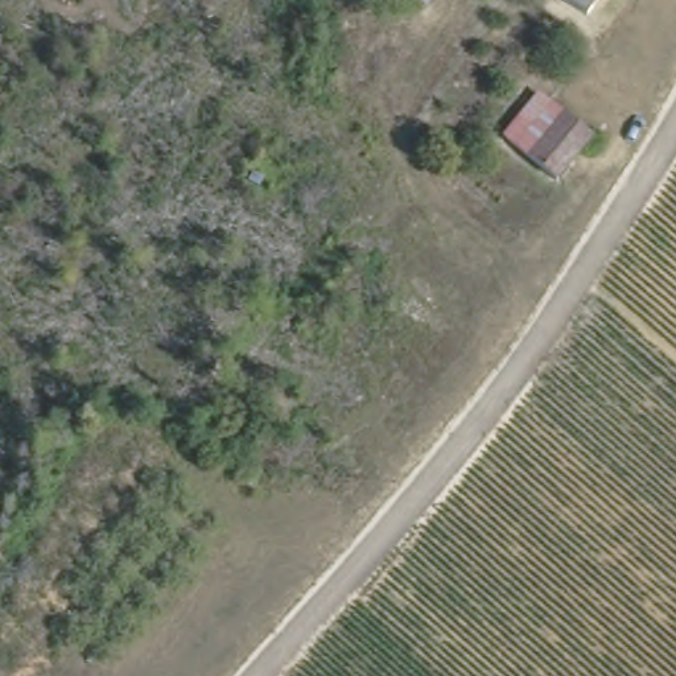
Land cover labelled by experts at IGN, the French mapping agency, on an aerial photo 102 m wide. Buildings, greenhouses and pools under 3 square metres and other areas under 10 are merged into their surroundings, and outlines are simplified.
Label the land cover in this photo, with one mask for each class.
<instances>
[{"label":"coniferous trees","instance_id":"1","mask_svg":"<svg viewBox=\"0 0 676 676\"><path fill-rule=\"evenodd\" d=\"M346 11H370L372 16H380L383 24H404L412 13L423 11V0H0V676H34L40 665L48 668L50 658H58V647L66 642L82 650V658L92 660H103L114 642L132 644L135 636L143 634L145 621L169 613L166 607L180 597V586H193V576L185 570L190 560H195V549L190 547V541L203 528L214 525L211 510L195 515L185 504L182 478L190 475L195 467L211 470L214 465H222L224 478L235 483L240 496H254L256 502H267L275 491H290L293 481L304 475H312V486L317 491L335 496L346 489V481H378L380 475L375 467V454L380 449V441L391 430L399 433L417 428L420 409H428L436 401H444L446 396L457 393L459 383L452 378L449 367L459 354L452 349L449 335L444 333L446 327L438 314L433 288L420 277H409L404 269L393 267L383 256L391 248V240H383L388 227H359L351 222V217L356 214H383V185L388 169L380 166L378 158L367 156V148L391 137V132L380 124L378 108H367L359 100L364 90H370L378 82V74L367 71L362 82H351L349 87L341 79V58L349 48L341 16ZM520 29L502 45L483 40L462 42L467 53H478L483 61V66L473 69V79L481 92L502 95L528 71L560 82L576 79L584 69L586 37L573 24L547 11L536 16L523 13ZM483 106L473 103L467 106L462 121L430 127V143L420 145V172L444 177L470 174L473 180H486L504 169V153L510 148H504V143L491 145L483 137Z\"/></svg>","mask_w":676,"mask_h":676},{"label":"herbaceous vegetation","instance_id":"2","mask_svg":"<svg viewBox=\"0 0 676 676\"><path fill-rule=\"evenodd\" d=\"M547 0H423V11L412 13L404 24H383L380 16H372L370 11H346L341 16L349 48L341 58V79L349 87L351 82H362L367 71L378 74V82L370 90H364L359 100L367 108H378L380 124L391 132V137L367 148V156L378 158L380 166L388 169L383 185V214H356L351 217V222L359 227H388L383 240H391V248L383 256L393 267L404 269L409 277H420L433 288L438 314L446 327L444 333L449 335L452 349L459 354L449 367L452 378L459 383L457 393L446 396L444 401H436L428 409H420L417 428L399 433L391 430L380 441V449L375 454V467L380 475L378 481H346V489L335 496L317 491L312 486V475H304L293 481L290 491H275L267 502H256L254 496H240L235 483L224 478L222 465H214L211 470L195 467L190 475L182 478L185 504L195 515L211 510L214 525L203 528L190 541V547L195 549V560H190L185 570L193 576V586H180V597L166 607L169 613L145 621L143 634L135 636L132 644L114 642L103 660H92L82 658V650L66 642L58 647V658H50L48 668L40 665L34 676H230L251 655V650L277 626V621L301 599V594L317 581V576L343 552V547L367 525L378 507L388 499V494L409 475L412 465H417V459L430 449L444 425L465 407V401L491 372L510 351L520 330L536 309V304L541 301L549 283L555 280V275L560 272V267L565 264L589 219L597 214L599 203L621 177V172L628 166L647 127L652 124L660 103L671 92L676 79V0H628L607 29H602L597 37H586L584 69L576 79L560 82L528 71L502 95L481 92L473 79V69L483 66V61L478 53H467L462 42L483 40L502 45L520 29L523 13L536 16L547 11ZM533 95H547L557 103L560 111L570 108L576 114V124H584L592 132V140L576 156L573 174L562 182H555V172L507 135V127L515 121V116L528 106ZM473 103L483 106V137L491 145L504 143V148H510L504 153V169L486 180H473L470 174L444 177L420 172V145L430 143V127L462 121L467 106Z\"/></svg>","mask_w":676,"mask_h":676},{"label":"vineyard","instance_id":"3","mask_svg":"<svg viewBox=\"0 0 676 676\"><path fill-rule=\"evenodd\" d=\"M528 370L539 378V386L533 388V383H528L520 391V396L510 404V409L502 417L507 428H502L499 436L489 433L481 441V446L473 452L465 467L457 475H452L446 489L420 518V525H425V531L420 541L407 552L404 565L388 576V581L370 597V602H354L335 621V626L325 631V636L309 650V658L290 676H676V174L671 177L668 187L663 190L652 211L636 222L631 238L621 246L618 259L607 267L602 285H594L589 296H581L570 306V314L555 327L544 351L531 359Z\"/></svg>","mask_w":676,"mask_h":676},{"label":"impervious surface","instance_id":"4","mask_svg":"<svg viewBox=\"0 0 676 676\"><path fill-rule=\"evenodd\" d=\"M676 174V103L665 114L652 143L642 151L626 187L607 209L597 232L568 269L552 301L544 306V314L533 322L528 333L520 330L510 351L491 372L496 375V380L494 386H489L481 404L446 438L441 452L428 462V467L415 478V483L401 494V499L375 525V531L356 547V552L335 570V576L309 599V605L288 623V628L280 631V636L272 639L261 658L251 663L240 676H290L309 658V650L325 636V631L335 626V621L354 602H370V597L388 581V576L404 565L407 552L420 541L425 531V525H420V518L446 489L452 475H457L465 467L473 452L481 446V441L489 433L499 436L502 428H507L502 417L510 409V404L520 396V391L528 383H533V388L539 386V378L528 370L531 359L544 351L555 327L570 314V306L581 296H589L594 285H602L607 267L618 259L621 246L631 238L636 222L652 211L663 190L668 187L671 177Z\"/></svg>","mask_w":676,"mask_h":676},{"label":"pervious surface","instance_id":"5","mask_svg":"<svg viewBox=\"0 0 676 676\"><path fill-rule=\"evenodd\" d=\"M628 0H547V11L573 24L586 37H597L602 29H607ZM676 103V79L671 92L660 103L652 124L647 127L628 166L621 172V177L599 203L597 214L589 219L565 264L560 267V272L555 275V280L549 283L541 301L536 304V309L520 330L528 333L533 322L544 314V306L552 301L568 269L597 232L607 209L626 187L642 151L652 143L665 114ZM496 380V375L491 372L465 401V407L444 425L430 449L417 459V465H412L409 475L388 494V499L378 507L367 525L343 547V552L317 576V581L301 594V599L277 621V626L251 650V655L230 676H240L251 663L261 658L272 639L280 636V631L288 628V623L309 605V599L335 576V570L356 552V547L375 531V525L401 499V494L415 483V478L428 467V462L441 452L446 438L481 404L489 386H494Z\"/></svg>","mask_w":676,"mask_h":676},{"label":"building","instance_id":"6","mask_svg":"<svg viewBox=\"0 0 676 676\"><path fill-rule=\"evenodd\" d=\"M507 135L555 172V182H562L573 174L576 156L592 140V132L584 124H576V114L570 108L560 111L557 103L547 95H533L528 106L515 116V121L507 127Z\"/></svg>","mask_w":676,"mask_h":676}]
</instances>
